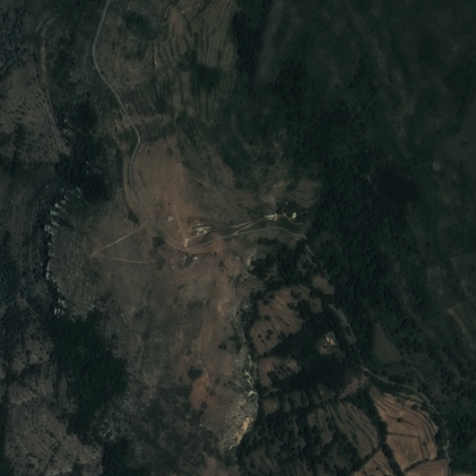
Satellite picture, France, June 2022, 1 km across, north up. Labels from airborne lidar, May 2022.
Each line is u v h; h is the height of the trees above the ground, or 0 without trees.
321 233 9
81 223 0
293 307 11
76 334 13
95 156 8
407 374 9
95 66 0
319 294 12
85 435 9
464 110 6
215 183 0
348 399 8
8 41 10
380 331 0
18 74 0
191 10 0
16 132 10
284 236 0
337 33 0
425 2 0
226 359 0
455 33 0
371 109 9
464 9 0
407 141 0
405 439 0
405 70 0
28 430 0
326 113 9
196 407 0
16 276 10
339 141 6
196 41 6
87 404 11
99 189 12
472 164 0
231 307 0
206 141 0
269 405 0
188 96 0
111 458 10
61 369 9
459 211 0
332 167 9
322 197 9
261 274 11
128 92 0
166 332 0
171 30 0
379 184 8
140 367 0
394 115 0
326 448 12
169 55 0
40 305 7
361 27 0
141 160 0
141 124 0
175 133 0
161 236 0
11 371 7
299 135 7
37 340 7
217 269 0
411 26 0
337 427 9
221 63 0
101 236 0
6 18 8
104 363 11
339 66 0
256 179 0
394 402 0
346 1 0
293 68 7
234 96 0
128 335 0
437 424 9
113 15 0
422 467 0
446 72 0
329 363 5
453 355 7
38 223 5
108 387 11
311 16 0
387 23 0
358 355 10
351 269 10
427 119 0
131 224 0
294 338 12
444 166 0
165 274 0
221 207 0
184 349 0
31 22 0
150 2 0
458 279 0
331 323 18
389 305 12
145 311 0
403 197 8
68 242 0
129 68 0
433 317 0
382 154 10
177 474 0
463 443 9
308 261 6
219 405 0
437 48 0
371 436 0
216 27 0
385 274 13
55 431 0
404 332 9
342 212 9
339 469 8
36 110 0
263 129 9
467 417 10
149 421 0
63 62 7
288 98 13
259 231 0
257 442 10
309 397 7
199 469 0
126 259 0
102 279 0
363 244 14
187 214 0
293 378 13
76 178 10
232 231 0
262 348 0
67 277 0
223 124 0
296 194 0
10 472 8
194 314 0
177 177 0
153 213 0
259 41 11
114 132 0
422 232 0
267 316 10
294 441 10
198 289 0
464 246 0
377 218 11
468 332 0
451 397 13
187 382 0
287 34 0
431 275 0
